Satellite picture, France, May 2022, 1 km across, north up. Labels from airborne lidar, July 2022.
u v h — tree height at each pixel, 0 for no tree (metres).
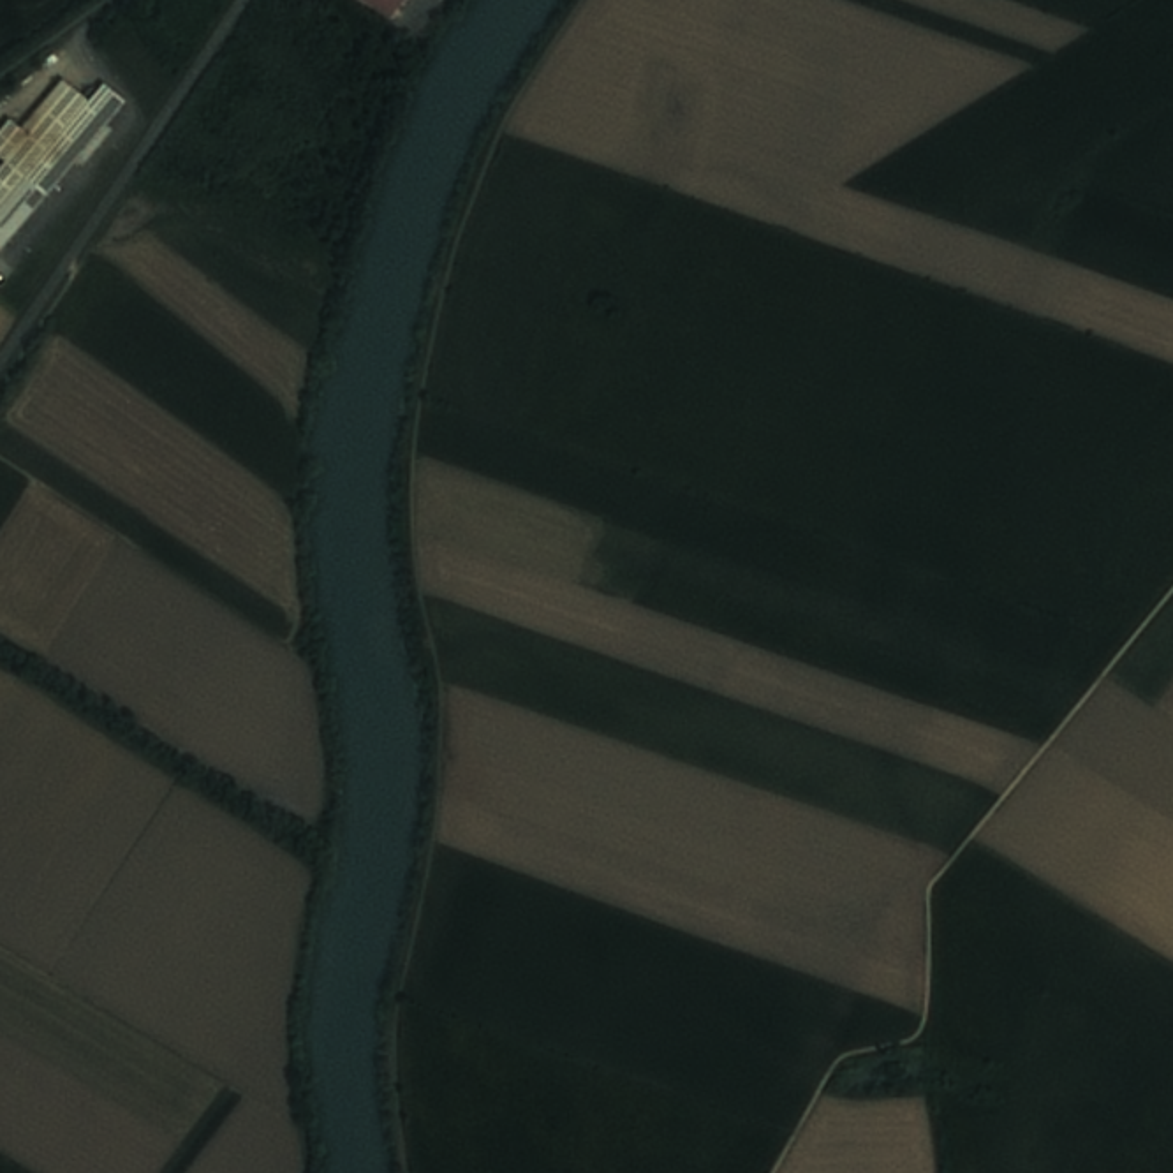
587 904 0
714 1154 0
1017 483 0
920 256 0
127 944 0
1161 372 0
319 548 0
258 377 0
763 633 0
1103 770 0
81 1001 0
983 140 0
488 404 0
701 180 0
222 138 7
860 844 0
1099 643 0
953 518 0
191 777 18
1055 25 0
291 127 8
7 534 0
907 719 0
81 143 0
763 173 0
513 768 0
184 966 0
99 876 0
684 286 0
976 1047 0
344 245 17
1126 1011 0
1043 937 0
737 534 0
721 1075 0
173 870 0
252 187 6
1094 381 0
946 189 0
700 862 0
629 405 0
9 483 0
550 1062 0
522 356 0
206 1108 0
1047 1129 0
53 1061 0
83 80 0
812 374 0
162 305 0
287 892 0
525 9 0
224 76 8
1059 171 0
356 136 6
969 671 0
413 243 0
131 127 0
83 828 0
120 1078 0
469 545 0
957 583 0
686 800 0
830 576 0
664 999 0
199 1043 0
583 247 0
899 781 0
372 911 0
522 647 0
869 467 0
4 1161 0
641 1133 0
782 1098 0
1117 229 0
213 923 0
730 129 0
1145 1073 0
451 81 0
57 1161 0
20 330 0
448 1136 0
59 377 0
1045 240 0
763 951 0
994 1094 8
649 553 0
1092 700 0
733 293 0
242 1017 0
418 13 0
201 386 0
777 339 0
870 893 0
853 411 0
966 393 0
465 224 0
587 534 0
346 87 11
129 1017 0
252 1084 0
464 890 0
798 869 0
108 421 0
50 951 0
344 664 0
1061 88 0
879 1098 11
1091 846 0
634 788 0
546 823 0
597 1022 0
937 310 0
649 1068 0
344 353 0
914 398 0
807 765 0
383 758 0
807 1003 0
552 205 0
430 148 0
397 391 0
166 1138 0
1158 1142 0
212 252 0
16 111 0
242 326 0
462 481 0
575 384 0
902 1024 0
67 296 0
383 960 0
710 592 0
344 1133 0
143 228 0
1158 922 0
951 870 0
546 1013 0
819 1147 0
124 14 16
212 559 0
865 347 0
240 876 0
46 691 13
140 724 6
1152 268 0
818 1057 0
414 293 0
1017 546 0
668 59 0
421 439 0
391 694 0
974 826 0
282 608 0
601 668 0
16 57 11
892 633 0
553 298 0
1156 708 0
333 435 0
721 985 0
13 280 0
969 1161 0
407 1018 0
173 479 0
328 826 12
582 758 0
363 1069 0
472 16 0
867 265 0
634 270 0
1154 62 0
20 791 0
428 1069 0
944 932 0
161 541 0
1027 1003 0
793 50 0
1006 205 0
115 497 0
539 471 0
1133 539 0
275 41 9
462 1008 0
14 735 0
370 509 0
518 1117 0
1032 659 0
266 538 0
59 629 0
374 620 0
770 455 0
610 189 0
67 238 0
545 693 0
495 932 0
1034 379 0
